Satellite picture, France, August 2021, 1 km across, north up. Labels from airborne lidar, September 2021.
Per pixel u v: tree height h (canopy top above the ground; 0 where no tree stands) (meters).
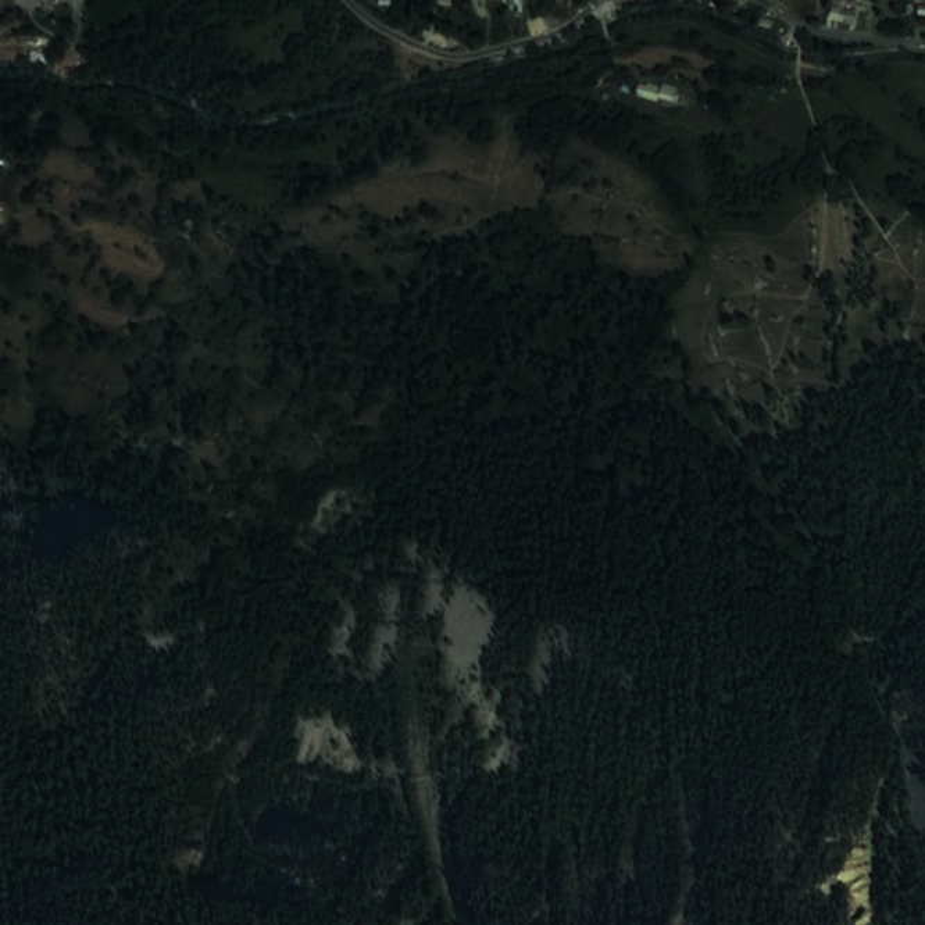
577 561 19
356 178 12
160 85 7
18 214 0
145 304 6
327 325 13
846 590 21
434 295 13
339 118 11
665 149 7
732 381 0
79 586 16
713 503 16
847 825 13
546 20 0
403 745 6
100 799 21
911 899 10
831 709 17
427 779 0
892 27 10
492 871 14
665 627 15
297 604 8
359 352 7
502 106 8
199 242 12
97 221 0
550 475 28
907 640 21
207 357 0
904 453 24
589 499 22
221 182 0
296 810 12
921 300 0
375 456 6
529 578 19
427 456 13
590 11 0
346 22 10
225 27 11
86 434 16
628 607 26
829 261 0
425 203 8
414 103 7
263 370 0
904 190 13
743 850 14
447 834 7
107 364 0
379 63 7
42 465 20
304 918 9
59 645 11
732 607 16
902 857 12
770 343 0
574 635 10
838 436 17
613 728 11
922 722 9
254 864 7
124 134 10
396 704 11
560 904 15
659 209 0
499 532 22
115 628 12
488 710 0
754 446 17
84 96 10
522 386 0
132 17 9
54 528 11
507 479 27
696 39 13
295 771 9
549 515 17
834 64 8
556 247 9
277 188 0
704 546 24
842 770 14
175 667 19
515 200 0
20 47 0
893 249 0
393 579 12
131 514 10
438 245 12
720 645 26
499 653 9
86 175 0
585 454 21
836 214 0
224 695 9
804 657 18
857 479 18
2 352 0
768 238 0
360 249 0
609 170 0
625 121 10
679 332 0
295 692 13
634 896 10
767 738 14
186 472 15
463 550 19
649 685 18
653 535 22
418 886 19
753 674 18
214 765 10
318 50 11
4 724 13
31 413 0
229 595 17
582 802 10
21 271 0
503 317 17
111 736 24
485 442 27
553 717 8
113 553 12
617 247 0
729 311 0
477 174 0
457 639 0
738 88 0
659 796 12
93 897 12
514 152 0
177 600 18
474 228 0
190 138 17
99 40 11
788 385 0
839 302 9
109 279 7
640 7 9
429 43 0
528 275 7
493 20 0
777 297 0
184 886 8
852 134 8
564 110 8
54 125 17
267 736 6
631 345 9
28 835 7
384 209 0
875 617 11
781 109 0
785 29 0
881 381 17
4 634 13
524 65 7
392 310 6
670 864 14
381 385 23
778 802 15
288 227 0
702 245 0
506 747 0
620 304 17
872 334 0
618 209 0
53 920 12
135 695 19
